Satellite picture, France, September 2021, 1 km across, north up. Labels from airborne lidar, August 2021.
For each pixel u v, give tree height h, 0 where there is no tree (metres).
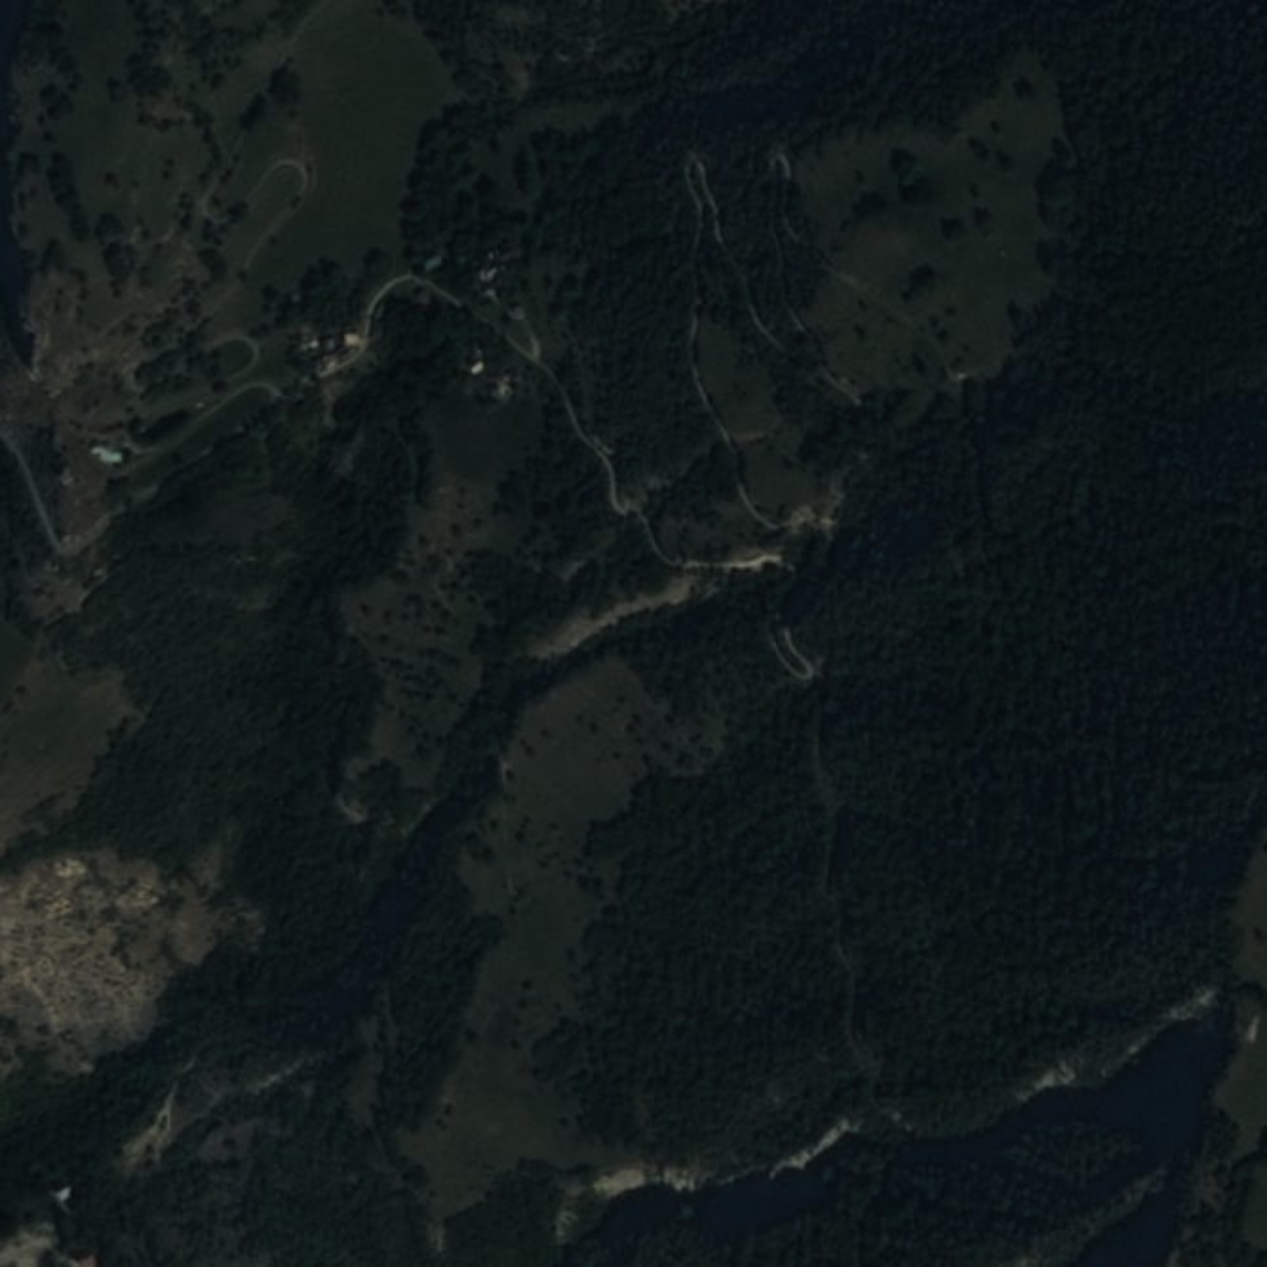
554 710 0
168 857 6
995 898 22
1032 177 0
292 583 9
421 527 0
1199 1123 10
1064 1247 8
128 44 0
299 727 16
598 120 0
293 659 10
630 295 10
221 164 8
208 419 0
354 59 0
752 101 11
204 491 13
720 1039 12
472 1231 11
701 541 0
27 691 7
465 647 0
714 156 6
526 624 9
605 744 0
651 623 13
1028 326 10
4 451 11
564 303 9
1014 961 23
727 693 7
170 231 0
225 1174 7
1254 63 22
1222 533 18
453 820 9
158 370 6
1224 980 9
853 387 6
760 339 7
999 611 12
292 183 0
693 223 8
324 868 9
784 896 9
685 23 10
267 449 8
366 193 0
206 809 7
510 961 0
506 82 8
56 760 0
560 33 7
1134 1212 7
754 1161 12
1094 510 19
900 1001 15
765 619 10
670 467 9
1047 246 0
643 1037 9
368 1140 7
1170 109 15
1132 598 23
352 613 0
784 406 10
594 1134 10
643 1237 6
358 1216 8
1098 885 24
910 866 11
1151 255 21
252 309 0
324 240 0
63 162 8
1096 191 17
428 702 11
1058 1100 6
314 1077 7
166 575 8
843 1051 10
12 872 8
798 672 7
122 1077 12
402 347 18
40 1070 7
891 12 13
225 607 7
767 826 13
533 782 0
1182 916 12
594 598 7
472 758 13
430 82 0
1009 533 10
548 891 0
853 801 7
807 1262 12
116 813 7
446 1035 11
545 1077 6
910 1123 10
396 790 9
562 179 15
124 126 0
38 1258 0
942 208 0
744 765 14
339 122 0
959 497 17
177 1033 10
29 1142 18
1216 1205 6
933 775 14
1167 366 16
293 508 6
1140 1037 8
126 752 7
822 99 23
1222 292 26
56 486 9
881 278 0
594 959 9
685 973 8
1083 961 19
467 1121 0
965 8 24
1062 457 15
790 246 7
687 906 11
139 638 6
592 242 12
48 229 0
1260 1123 0
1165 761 17
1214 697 20
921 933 10
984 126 0
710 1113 7
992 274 0
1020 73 0
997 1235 11
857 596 9
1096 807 13
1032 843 16
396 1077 11
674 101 9
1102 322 18
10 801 0
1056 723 15
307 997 11
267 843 18
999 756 18
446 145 17
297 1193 10
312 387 7
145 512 7
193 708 5
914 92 20
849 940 6
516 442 0
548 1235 10
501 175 0
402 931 11
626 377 9
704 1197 6
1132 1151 7
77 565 6
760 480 0
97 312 0
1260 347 17
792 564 7
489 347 13
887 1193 13
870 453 8
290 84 14
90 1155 10
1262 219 11
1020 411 20
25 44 9
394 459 11
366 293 9
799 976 13
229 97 0
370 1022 7
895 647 13
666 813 13
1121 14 20
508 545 0
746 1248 8
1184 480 16
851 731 12
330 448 25
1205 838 10
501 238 18
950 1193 11
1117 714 11
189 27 6
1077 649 8
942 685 23
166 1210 7
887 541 10
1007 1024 17
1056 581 21
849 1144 8
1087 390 18
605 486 6
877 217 15
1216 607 24
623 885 7
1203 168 20
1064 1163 10
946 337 10
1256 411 16
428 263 0
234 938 6
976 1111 10
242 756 7
